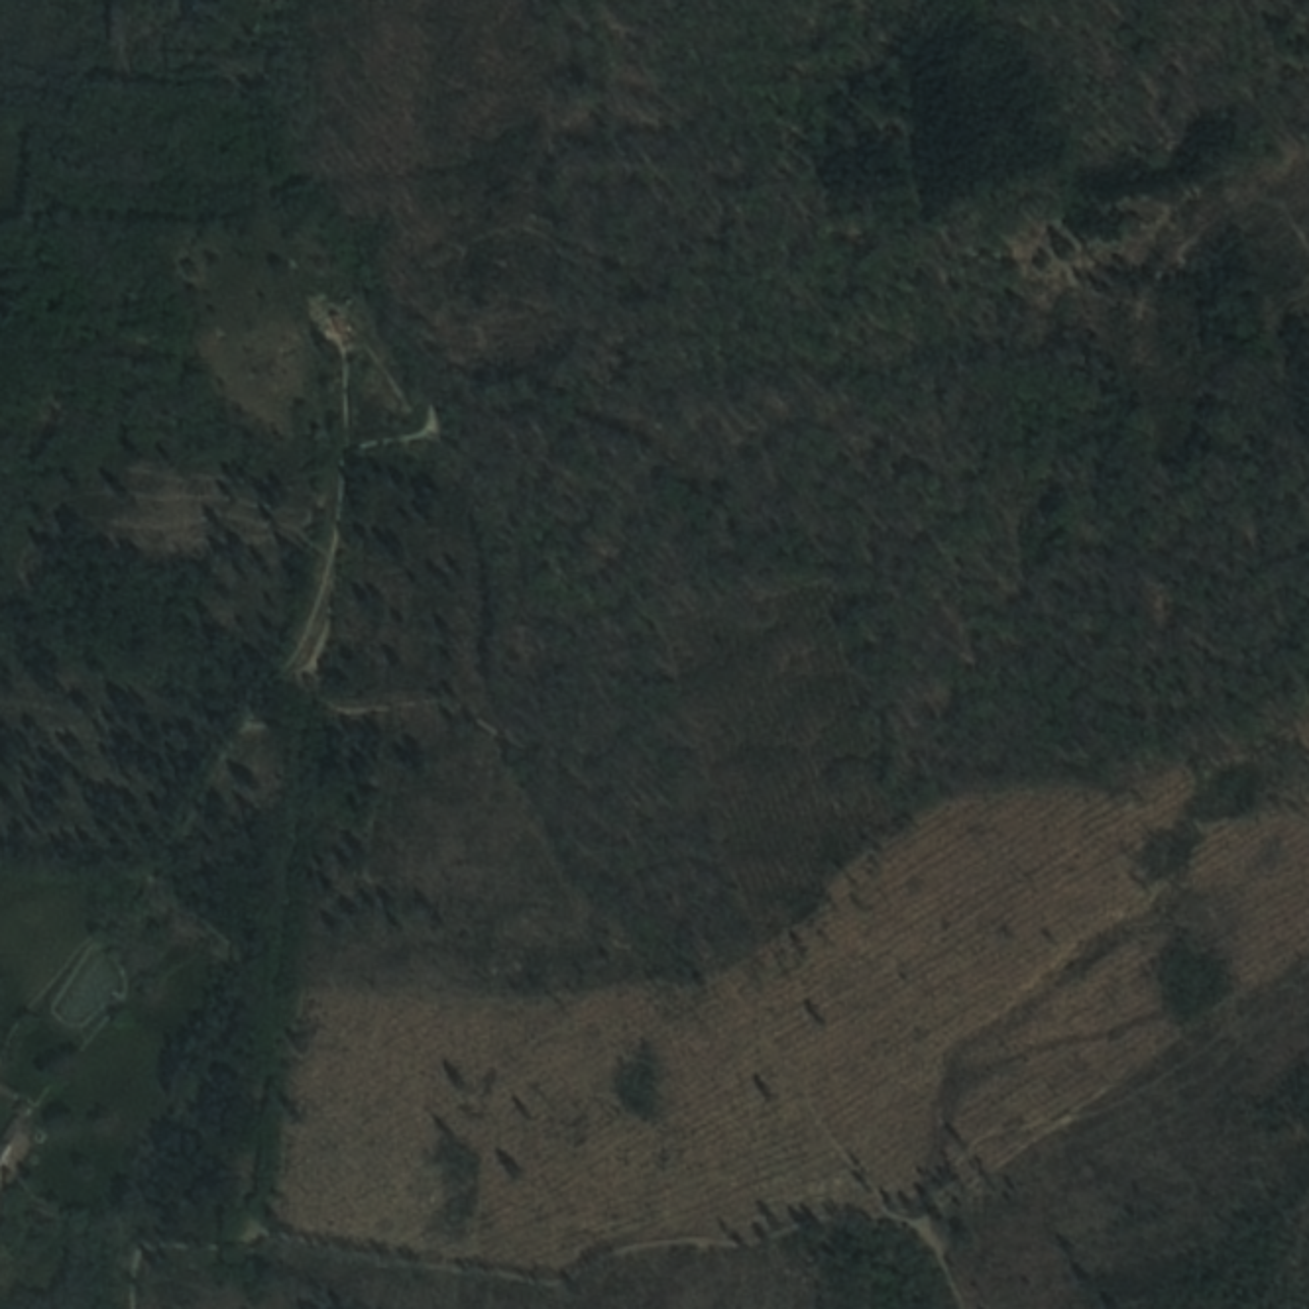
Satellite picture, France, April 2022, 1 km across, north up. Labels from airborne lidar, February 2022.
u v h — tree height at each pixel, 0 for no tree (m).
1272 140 30
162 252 21
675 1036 0
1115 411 24
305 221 20
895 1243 22
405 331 28
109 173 26
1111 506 28
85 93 20
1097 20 28
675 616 29
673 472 25
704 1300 0
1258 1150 0
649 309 27
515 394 27
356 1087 0
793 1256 0
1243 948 0
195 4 9
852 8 21
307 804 13
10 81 23
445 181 9
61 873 26
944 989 0
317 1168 0
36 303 22
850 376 18
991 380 26
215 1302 0
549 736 31
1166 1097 0
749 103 28
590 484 29
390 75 16
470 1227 0
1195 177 14
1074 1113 0
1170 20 27
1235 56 23
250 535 0
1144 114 29
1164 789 0
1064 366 29
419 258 16
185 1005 0
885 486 27
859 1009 0
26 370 26
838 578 26
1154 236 0
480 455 28
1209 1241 0
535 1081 0
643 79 28
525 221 0
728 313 23
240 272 0
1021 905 0
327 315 0
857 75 23
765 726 6
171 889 14
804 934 0
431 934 0
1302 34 26
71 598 22
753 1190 0
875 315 27
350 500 7
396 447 11
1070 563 25
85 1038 0
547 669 17
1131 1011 0
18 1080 0
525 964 0
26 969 0
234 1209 18
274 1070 12
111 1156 0
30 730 0
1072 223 15
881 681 27
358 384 0
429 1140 0
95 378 24
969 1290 0
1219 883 0
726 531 28
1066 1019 0
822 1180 0
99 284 27
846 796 17
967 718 28
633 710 28
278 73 14
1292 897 0
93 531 16
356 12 13
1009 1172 0
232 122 23
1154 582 32
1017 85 17
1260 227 0
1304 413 19
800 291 28
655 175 31
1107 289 10
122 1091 0
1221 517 30
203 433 25
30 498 22
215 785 26
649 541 29
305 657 0
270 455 22
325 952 0
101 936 18
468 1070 0
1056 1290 0
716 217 29
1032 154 14
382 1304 0
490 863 0
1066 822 0
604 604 30
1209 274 21
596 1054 0
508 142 7
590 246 28
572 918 0
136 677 18
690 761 26
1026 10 27
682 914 30
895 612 27
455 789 0
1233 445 17
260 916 13
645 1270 0
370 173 20
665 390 29
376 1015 0
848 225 26
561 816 24
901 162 23
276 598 0
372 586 0
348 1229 0
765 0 23
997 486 26
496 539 25
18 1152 0
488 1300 0
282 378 0
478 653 0
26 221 19
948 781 29
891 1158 0
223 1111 29
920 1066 0
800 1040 0
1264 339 13
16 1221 6
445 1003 0
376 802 29
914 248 23
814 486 29
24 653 21
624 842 24
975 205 23
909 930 0
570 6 31
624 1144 0
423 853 0
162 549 0
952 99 23
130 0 12
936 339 17
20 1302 16
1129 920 0
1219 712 29
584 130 0
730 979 0
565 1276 0
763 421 31
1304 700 29
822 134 22
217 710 32
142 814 31
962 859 0
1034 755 27
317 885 27
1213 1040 0
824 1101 0
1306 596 30
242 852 16
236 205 21
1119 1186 0
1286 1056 0
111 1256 28
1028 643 29
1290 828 0
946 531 23
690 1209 0
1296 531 28
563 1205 0
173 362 19
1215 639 27
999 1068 0
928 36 11
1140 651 29
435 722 0
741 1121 0
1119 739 28
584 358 27
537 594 30
